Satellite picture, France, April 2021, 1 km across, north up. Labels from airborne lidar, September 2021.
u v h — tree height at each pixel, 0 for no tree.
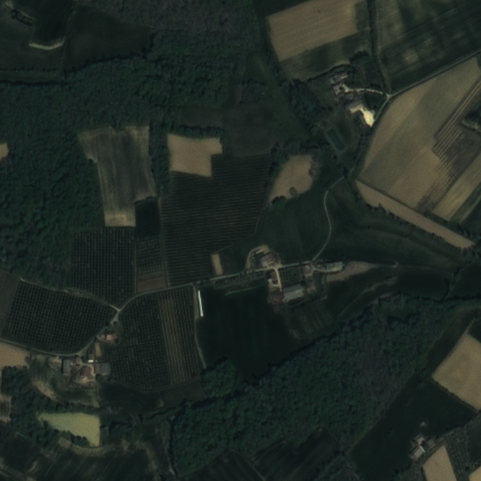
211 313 0
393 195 0
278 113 0
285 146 12
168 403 0
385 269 0
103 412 12
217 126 0
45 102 27
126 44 0
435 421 0
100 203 16
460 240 0
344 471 9
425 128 0
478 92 0
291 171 0
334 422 21
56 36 0
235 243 0
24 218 21
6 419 0
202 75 20
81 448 15
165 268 0
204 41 17
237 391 0
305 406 23
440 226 0
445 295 6
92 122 24
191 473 17
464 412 0
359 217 0
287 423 27
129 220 0
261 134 0
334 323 0
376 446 0
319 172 23
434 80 0
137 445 0
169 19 16
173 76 27
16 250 14
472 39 0
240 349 0
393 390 11
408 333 25
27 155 23
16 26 0
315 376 29
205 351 0
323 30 0
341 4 0
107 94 27
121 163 0
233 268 0
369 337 22
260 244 0
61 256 19
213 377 23
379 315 0
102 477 0
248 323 0
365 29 0
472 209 0
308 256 0
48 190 21
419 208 0
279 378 21
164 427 0
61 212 21
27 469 0
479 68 0
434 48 0
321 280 0
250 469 0
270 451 0
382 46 0
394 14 0
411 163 0
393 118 0
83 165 25
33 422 20
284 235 0
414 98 0
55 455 0
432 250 0
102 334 0
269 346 0
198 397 0
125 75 31
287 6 0
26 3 0
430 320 21
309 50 0
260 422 26
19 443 0
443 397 0
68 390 0
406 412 0
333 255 0
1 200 24
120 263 5
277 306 0
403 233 0
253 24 19
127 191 0
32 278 18
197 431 26
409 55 0
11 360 0
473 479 0
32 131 25
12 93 25
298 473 0
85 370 0
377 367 12
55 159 22
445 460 0
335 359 21
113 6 12
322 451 0
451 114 0
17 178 22
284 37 0
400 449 0
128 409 0
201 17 10
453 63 0
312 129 16
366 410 20
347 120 0
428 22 0
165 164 17
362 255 0
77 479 0
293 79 0
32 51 0
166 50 24
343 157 0
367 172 0
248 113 0
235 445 21
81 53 0
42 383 0
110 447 0
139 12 15
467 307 14
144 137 0
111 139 0
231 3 24
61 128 26
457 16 0
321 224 0
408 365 22
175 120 22
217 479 0
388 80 0
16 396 19
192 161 0
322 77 7
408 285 0
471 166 0
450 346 0
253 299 0
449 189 0
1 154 0
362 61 24
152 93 23
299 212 0
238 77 14
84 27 0
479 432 0
